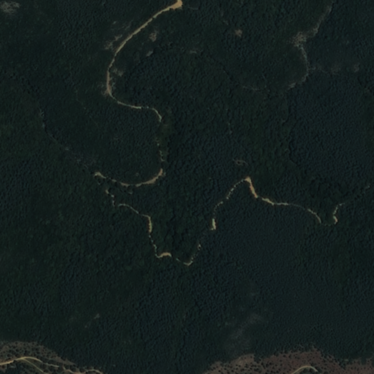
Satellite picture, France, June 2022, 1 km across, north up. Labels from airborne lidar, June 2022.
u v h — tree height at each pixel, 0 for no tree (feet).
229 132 50
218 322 33
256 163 63
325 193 33
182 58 32
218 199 50
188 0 30
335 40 21
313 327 41
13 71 49
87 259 52
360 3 30
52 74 29
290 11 62
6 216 23
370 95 42
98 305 26
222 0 39
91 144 25
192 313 33
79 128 30
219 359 26
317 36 26
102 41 23
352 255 32
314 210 48
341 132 52
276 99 63
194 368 29
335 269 38
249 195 37
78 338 19
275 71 26
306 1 29
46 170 34
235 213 53
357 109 47
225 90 58
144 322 56
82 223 48
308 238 54
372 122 59
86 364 28
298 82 25
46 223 62
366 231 50
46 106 33
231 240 56
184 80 46
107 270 50
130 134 31
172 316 58
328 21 35
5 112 28
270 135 37
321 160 50
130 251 33
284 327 45
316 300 50
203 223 59
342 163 64
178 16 22
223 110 36
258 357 33
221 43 22
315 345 47
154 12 39
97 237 47
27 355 49
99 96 22
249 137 59
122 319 24
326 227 56
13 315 32
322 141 60
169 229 41
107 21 48
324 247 53
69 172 54
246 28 42
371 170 49
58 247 54
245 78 37
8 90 45
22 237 48
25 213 26
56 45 21
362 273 42
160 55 63
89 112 24
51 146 56
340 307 39
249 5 65
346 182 65
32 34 21
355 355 21
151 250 33
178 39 32
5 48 31
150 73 46
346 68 28
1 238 21
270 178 21
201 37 25
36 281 20
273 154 52
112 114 40
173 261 46
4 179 43
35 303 59
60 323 19
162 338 39
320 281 49
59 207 41
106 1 29
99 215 44
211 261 71
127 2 22
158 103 36
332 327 40
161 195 58
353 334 50
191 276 24
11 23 26
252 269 50
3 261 21
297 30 32
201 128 39
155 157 29
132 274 32
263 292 40
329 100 23
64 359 44
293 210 46
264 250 40
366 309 41
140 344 24
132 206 23
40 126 66
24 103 52
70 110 27
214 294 66
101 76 22
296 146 71
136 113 59
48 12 22
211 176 18
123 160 52
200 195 43
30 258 25
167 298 51
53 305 35
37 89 40
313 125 60
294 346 42
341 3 41
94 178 67
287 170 29
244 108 37
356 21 27
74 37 24
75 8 52
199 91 23
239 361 0
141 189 48
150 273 61
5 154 55
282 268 42
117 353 25
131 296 43
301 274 44
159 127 37
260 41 38
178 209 50
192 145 39
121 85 55
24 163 69
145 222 49
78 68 32
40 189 30
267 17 61
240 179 35
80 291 44
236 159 47
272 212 57
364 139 42
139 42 32
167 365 46
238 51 46
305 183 66
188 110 38
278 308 33
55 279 49
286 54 43
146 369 40
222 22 19
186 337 52
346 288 53
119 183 41
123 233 39
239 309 20
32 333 29
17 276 31
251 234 48
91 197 40
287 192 56
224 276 58
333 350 38
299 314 34
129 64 20
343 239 48
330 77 17
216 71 55
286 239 50
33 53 24
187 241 57
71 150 19
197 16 55
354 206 45
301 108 55
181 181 54
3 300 37
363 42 49
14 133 29
